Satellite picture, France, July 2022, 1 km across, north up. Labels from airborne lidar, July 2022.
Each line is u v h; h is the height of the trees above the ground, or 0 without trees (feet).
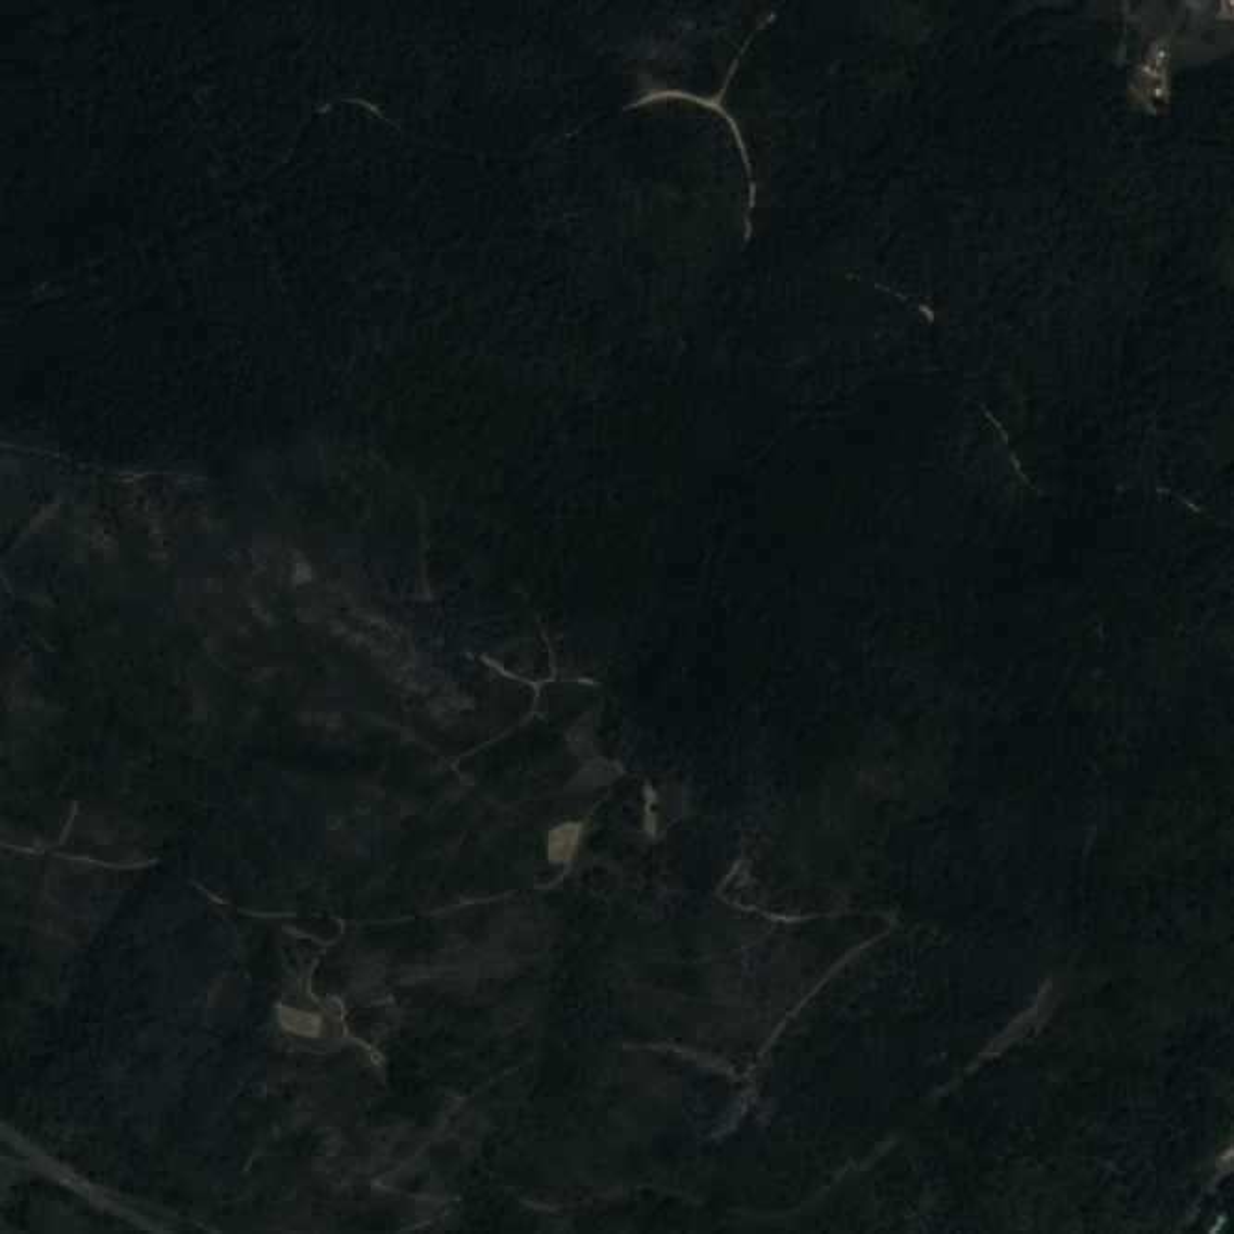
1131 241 33
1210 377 61
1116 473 66
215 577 0
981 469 44
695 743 26
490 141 64
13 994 29
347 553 0
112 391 34
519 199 40
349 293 35
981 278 45
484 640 28
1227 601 110
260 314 55
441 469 21
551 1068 27
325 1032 0
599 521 39
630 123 19
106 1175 20
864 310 26
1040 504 39
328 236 40
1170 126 33
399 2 48
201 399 35
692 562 37
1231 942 32
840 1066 28
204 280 42
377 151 49
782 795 22
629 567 35
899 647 25
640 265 21
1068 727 44
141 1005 36
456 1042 26
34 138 37
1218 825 33
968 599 38
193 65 51
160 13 62
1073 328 66
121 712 28
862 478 38
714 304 32
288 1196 0
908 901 29
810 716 32
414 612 22
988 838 54
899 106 35
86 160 33
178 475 0
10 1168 0
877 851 19
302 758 18
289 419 20
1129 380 65
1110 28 22
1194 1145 73
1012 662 20
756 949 0
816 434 61
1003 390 33
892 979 27
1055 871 27
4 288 30
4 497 0
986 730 37
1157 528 47
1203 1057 67
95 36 37
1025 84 42
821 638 39
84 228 27
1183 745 25
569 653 25
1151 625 23
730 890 21
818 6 34
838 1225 22
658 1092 0
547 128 52
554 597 26
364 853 0
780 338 33
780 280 63
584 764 0
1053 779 27
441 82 53
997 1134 56
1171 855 19
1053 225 44
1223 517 59
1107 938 27
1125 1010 24
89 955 37
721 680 50
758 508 59
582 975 24
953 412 33
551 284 58
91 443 32
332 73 25
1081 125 53
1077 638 26
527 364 43
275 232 43
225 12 52
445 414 28
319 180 42
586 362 27
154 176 36
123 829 0
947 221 50
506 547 25
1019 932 36
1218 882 49
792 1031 26
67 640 22
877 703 20
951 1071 29
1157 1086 32
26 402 35
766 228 43
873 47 41
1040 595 36
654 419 36
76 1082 44
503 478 24
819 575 52
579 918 23
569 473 65
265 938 20
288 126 34
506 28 65
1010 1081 29
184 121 59
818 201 52
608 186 33
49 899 0
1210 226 54
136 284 28
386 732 0
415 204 29
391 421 18
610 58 27
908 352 56
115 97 49
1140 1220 58
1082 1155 20
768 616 35
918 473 38
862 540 46
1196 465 96
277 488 0
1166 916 39
